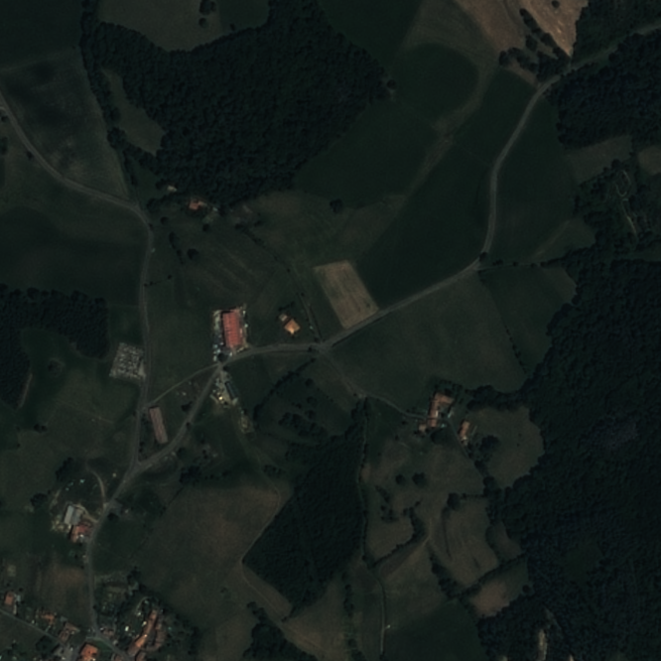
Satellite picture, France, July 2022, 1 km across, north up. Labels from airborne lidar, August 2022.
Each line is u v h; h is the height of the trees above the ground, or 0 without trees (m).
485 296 0
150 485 0
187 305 0
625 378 19
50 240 0
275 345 0
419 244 0
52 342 0
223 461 0
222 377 0
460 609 0
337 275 0
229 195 19
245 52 18
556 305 0
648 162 0
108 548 0
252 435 0
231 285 0
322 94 16
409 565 0
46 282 0
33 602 0
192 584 0
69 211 0
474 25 0
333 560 7
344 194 0
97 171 0
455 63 0
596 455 19
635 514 12
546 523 13
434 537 0
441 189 0
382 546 0
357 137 0
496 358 0
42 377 0
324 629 0
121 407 0
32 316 7
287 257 0
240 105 17
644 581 11
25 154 0
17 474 0
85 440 0
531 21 14
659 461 18
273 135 21
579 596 8
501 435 0
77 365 0
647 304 19
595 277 17
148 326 0
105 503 0
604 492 12
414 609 0
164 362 0
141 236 0
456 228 0
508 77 0
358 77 22
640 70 15
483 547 0
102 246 0
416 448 0
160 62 18
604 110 23
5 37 0
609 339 20
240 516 0
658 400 16
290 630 0
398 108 0
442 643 0
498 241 0
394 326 0
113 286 0
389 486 0
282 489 0
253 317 0
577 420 17
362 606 0
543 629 16
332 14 0
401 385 0
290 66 20
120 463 0
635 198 13
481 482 0
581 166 0
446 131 0
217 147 18
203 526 0
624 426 24
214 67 23
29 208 0
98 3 14
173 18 0
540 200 0
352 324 0
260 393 0
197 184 16
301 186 0
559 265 9
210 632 0
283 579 8
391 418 0
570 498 10
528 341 0
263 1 0
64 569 0
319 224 0
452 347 0
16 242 0
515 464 0
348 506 9
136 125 0
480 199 0
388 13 0
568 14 0
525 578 0
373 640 0
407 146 0
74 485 0
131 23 0
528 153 0
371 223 0
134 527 0
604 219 7
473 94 0
